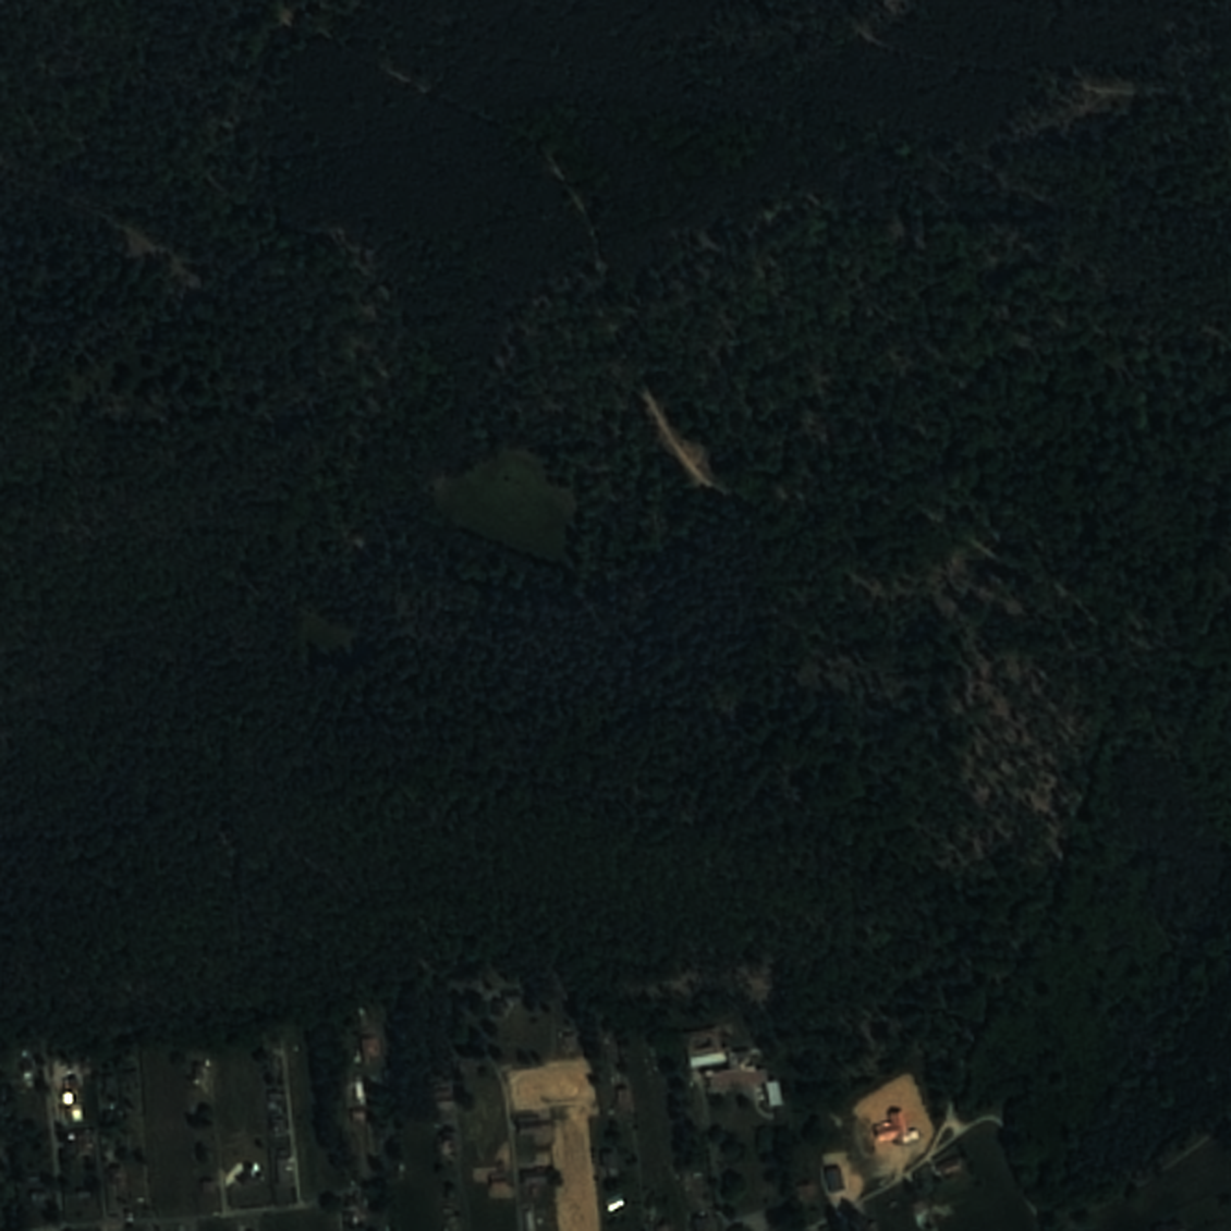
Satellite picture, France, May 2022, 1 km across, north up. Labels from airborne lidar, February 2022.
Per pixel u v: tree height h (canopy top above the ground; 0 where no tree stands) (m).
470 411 14
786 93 12
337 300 27
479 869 21
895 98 12
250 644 22
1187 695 18
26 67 22
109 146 27
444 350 13
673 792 26
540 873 23
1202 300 30
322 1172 0
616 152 16
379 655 27
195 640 25
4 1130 14
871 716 33
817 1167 0
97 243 20
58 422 19
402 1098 25
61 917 26
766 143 16
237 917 23
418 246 12
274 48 8
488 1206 0
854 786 18
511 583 30
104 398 20
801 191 9
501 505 0
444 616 28
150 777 26
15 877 25
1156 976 11
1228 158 26
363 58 15
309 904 23
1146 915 11
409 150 17
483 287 14
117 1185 0
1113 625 28
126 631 21
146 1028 24
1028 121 25
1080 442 33
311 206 15
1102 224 25
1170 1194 0
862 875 26
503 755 23
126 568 22
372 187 17
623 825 21
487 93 15
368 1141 0
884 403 26
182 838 23
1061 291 24
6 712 23
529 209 16
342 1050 20
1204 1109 9
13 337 22
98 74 22
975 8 10
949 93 12
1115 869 11
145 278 24
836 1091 26
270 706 25
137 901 26
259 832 21
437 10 12
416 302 16
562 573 11
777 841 26
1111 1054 14
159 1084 0
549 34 12
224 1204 0
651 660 30
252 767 23
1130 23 12
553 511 0
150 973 24
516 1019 0
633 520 8
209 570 25
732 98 12
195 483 23
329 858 21
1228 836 20
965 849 31
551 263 12
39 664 26
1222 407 26
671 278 29
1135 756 15
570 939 22
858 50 13
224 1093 0
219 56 22
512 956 20
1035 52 11
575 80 11
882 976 27
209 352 21
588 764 21
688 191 13
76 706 24
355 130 13
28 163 24
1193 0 12
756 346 34
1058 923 6
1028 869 29
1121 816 17
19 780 27
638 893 20
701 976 26
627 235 13
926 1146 0
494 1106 0
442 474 14
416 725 27
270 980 26
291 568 26
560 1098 0
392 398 6
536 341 25
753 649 32
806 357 32
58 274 20
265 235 22
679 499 7
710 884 18
